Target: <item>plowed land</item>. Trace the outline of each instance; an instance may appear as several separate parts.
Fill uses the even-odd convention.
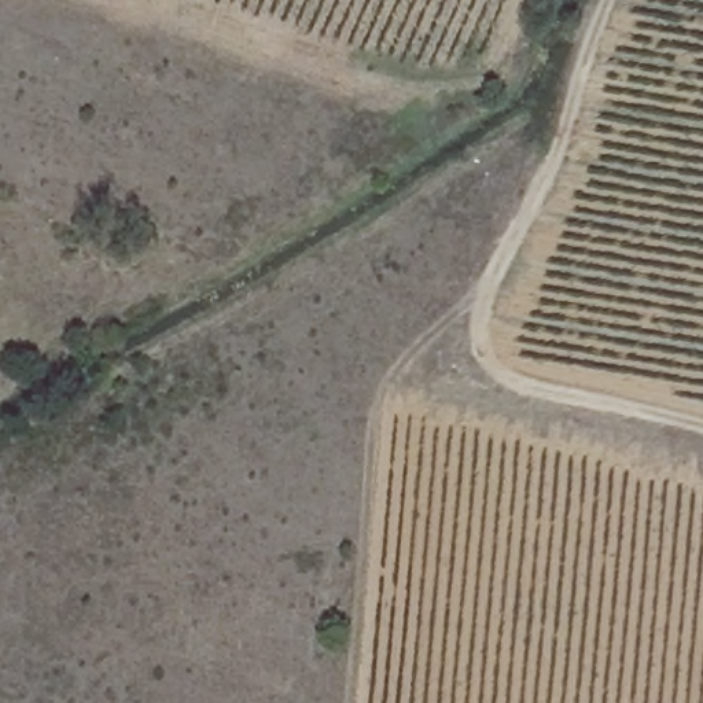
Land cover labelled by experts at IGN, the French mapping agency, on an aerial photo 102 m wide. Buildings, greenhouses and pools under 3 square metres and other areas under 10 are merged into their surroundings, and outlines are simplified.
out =
[[[579,475],[579,461],[582,456],[588,456],[588,475],[596,472],[596,461],[601,461],[601,472],[629,472],[629,489],[634,489],[637,481],[670,481],[676,486],[684,486],[684,497],[689,500],[692,492],[703,492],[703,434],[612,412],[552,404],[503,387],[472,357],[472,288],[464,297],[459,297],[453,308],[437,316],[426,330],[420,330],[382,373],[376,398],[368,409],[362,439],[360,500],[371,505],[368,557],[379,560],[382,552],[390,428],[395,415],[398,442],[404,442],[406,434],[406,415],[412,415],[412,439],[420,437],[420,426],[426,426],[426,439],[431,439],[434,428],[439,428],[439,439],[445,439],[448,428],[453,428],[453,442],[459,442],[461,434],[472,437],[472,431],[478,428],[481,442],[505,442],[508,450],[514,450],[516,439],[522,445],[533,445],[533,461],[541,461],[544,450],[560,453],[560,472],[568,470],[568,459],[574,459],[574,475]]]

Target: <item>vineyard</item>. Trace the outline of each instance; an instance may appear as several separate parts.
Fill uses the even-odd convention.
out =
[[[596,132],[601,154],[588,168],[588,181],[582,184],[582,189],[574,192],[574,209],[566,217],[566,231],[560,236],[560,244],[555,247],[555,255],[549,255],[546,261],[541,299],[535,302],[535,310],[530,310],[530,319],[525,321],[525,330],[519,335],[519,357],[662,379],[670,382],[673,395],[703,401],[703,0],[623,0],[634,14],[637,25],[629,44],[612,49],[604,91],[629,93],[632,102],[604,102],[604,110],[599,113]]]
[[[102,14],[113,22],[124,22],[129,27],[143,30],[157,25],[165,33],[206,41],[209,47],[220,49],[222,55],[233,55],[242,63],[286,71],[294,80],[313,82],[321,93],[332,99],[352,96],[360,110],[393,113],[412,99],[437,104],[439,93],[475,91],[481,88],[481,82],[467,77],[406,82],[387,74],[352,69],[349,52],[415,52],[420,60],[417,69],[423,71],[428,69],[431,58],[437,58],[442,69],[456,69],[461,55],[486,58],[486,66],[494,69],[508,52],[516,49],[516,38],[522,36],[516,0],[82,0],[91,8],[91,14]]]
[[[637,481],[634,489],[629,489],[629,472],[601,472],[601,461],[596,461],[596,472],[588,475],[588,456],[582,456],[579,461],[579,475],[574,475],[574,459],[568,459],[568,470],[560,472],[560,453],[544,450],[541,461],[533,461],[533,445],[522,445],[516,439],[514,450],[508,450],[505,442],[481,442],[478,428],[472,431],[472,437],[461,434],[459,442],[453,442],[453,428],[448,428],[445,439],[439,439],[439,428],[434,428],[431,439],[426,439],[426,426],[420,426],[420,437],[412,439],[412,415],[406,415],[406,434],[404,442],[398,442],[395,415],[390,428],[382,552],[379,560],[368,557],[354,703],[703,703],[703,492],[692,492],[689,500],[684,497],[684,486],[676,486],[670,481]]]

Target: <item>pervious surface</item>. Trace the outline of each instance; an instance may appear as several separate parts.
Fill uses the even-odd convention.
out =
[[[604,91],[612,49],[629,44],[637,25],[634,14],[623,0],[590,0],[582,8],[582,25],[577,30],[577,52],[568,71],[566,96],[560,104],[552,146],[544,157],[541,168],[530,178],[519,211],[511,217],[508,228],[497,239],[497,247],[481,280],[472,288],[472,357],[503,387],[552,404],[612,412],[703,434],[703,401],[673,395],[670,382],[662,379],[519,357],[519,335],[525,330],[525,321],[530,319],[530,310],[535,310],[535,302],[541,299],[546,261],[549,255],[555,255],[555,247],[560,244],[560,236],[566,231],[566,217],[574,209],[574,192],[582,189],[582,184],[588,181],[588,168],[601,154],[596,132],[599,113],[604,110],[604,102],[632,102],[629,93]]]

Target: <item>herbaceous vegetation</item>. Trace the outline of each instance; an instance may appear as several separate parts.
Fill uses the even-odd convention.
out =
[[[368,409],[376,398],[382,373],[420,330],[426,330],[437,316],[453,308],[459,297],[464,297],[472,288],[481,280],[497,247],[497,239],[508,228],[511,217],[519,211],[530,178],[541,168],[544,157],[522,146],[519,140],[505,137],[497,129],[508,118],[530,107],[541,88],[541,80],[533,77],[522,88],[522,93],[511,99],[505,110],[486,115],[470,132],[459,135],[439,151],[434,151],[426,162],[434,173],[412,184],[395,206],[390,206],[376,220],[365,214],[362,220],[357,220],[352,206],[357,206],[365,195],[373,195],[371,173],[376,168],[387,170],[382,148],[390,137],[393,113],[360,110],[352,96],[332,99],[321,93],[313,82],[294,80],[286,71],[242,63],[233,55],[222,55],[220,49],[209,47],[206,41],[165,33],[157,25],[143,30],[129,27],[124,22],[113,22],[102,14],[91,14],[91,8],[82,0],[0,0],[0,349],[8,341],[30,341],[44,352],[55,338],[63,338],[63,343],[69,346],[66,357],[74,357],[77,362],[63,371],[63,376],[52,384],[49,395],[36,395],[30,404],[19,409],[19,415],[0,420],[0,450],[8,448],[11,437],[33,439],[27,417],[58,420],[66,412],[71,412],[102,384],[102,373],[118,362],[129,362],[135,371],[143,371],[146,360],[154,357],[159,360],[162,373],[176,376],[176,368],[187,365],[203,373],[222,371],[228,376],[225,395],[195,395],[189,415],[181,415],[173,423],[170,437],[154,431],[151,445],[132,450],[124,434],[118,434],[115,442],[91,442],[60,472],[52,475],[47,470],[36,481],[30,475],[5,475],[5,470],[0,467],[0,703],[354,703],[368,557],[371,505],[360,500],[362,439]],[[124,200],[129,192],[137,192],[140,203],[148,206],[151,220],[157,222],[157,239],[151,239],[143,253],[129,255],[126,261],[99,253],[91,242],[80,244],[80,253],[66,261],[60,253],[60,242],[52,236],[52,225],[71,220],[71,211],[77,206],[77,184],[93,187],[102,178],[113,178],[110,195],[115,200]],[[184,321],[176,330],[154,338],[146,346],[146,352],[129,354],[124,343],[132,335],[148,330],[168,313],[195,299],[206,299],[209,313],[200,313],[198,319]],[[352,632],[349,645],[343,651],[332,651],[319,643],[319,632],[327,632],[330,626],[346,626],[349,621]]]

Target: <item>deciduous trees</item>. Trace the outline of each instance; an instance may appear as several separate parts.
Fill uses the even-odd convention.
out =
[[[132,450],[151,445],[154,431],[170,437],[173,423],[181,415],[189,415],[195,395],[225,395],[228,376],[222,371],[203,373],[187,365],[176,368],[176,376],[162,373],[159,360],[154,357],[146,360],[143,371],[135,371],[129,362],[118,362],[102,373],[102,384],[71,412],[66,412],[58,420],[27,417],[33,439],[11,437],[8,448],[0,450],[0,467],[5,470],[5,475],[30,475],[36,481],[47,470],[52,475],[60,472],[91,442],[115,442],[118,434],[124,434]]]
[[[63,338],[55,338],[44,352],[30,341],[8,341],[0,349],[0,404],[8,401],[16,390],[38,382],[58,357],[66,357],[69,346],[63,343]]]
[[[376,220],[390,206],[395,206],[412,184],[434,173],[426,162],[434,151],[439,151],[459,135],[470,132],[486,115],[505,110],[511,99],[522,93],[522,88],[533,77],[541,80],[541,88],[530,107],[508,118],[497,129],[505,137],[519,140],[522,146],[544,157],[552,146],[560,104],[566,96],[568,71],[577,52],[577,30],[582,25],[582,8],[590,0],[516,0],[522,36],[516,38],[516,49],[508,52],[494,69],[486,66],[486,58],[461,55],[456,69],[442,69],[437,58],[431,58],[428,69],[423,71],[417,69],[420,60],[415,52],[349,52],[352,69],[387,74],[406,82],[467,77],[481,82],[481,88],[475,91],[439,93],[437,104],[412,99],[393,113],[390,137],[382,148],[387,170],[376,168],[371,173],[373,195],[365,195],[357,206],[352,206],[357,220],[362,220],[365,214]]]
[[[327,632],[319,632],[319,643],[332,651],[343,651],[349,645],[352,632],[349,621],[346,626],[330,626]]]

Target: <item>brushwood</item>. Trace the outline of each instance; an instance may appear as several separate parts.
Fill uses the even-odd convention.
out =
[[[52,236],[60,242],[60,253],[66,261],[80,253],[80,244],[91,242],[99,253],[126,261],[129,255],[143,253],[151,239],[157,239],[157,222],[151,220],[148,206],[140,203],[137,192],[129,192],[124,200],[115,200],[110,195],[113,178],[102,178],[93,187],[77,184],[77,206],[71,211],[71,220],[52,225]]]

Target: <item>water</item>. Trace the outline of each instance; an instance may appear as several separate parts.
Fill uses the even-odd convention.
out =
[[[0,404],[0,420],[19,415],[19,409],[30,404],[36,395],[49,395],[52,384],[63,376],[63,371],[77,362],[74,357],[66,357],[58,357],[38,382],[16,390],[8,401]]]
[[[168,313],[148,330],[132,335],[124,343],[129,354],[146,352],[146,346],[154,338],[176,330],[184,321],[198,319],[200,313],[209,313],[206,299],[195,299]]]

